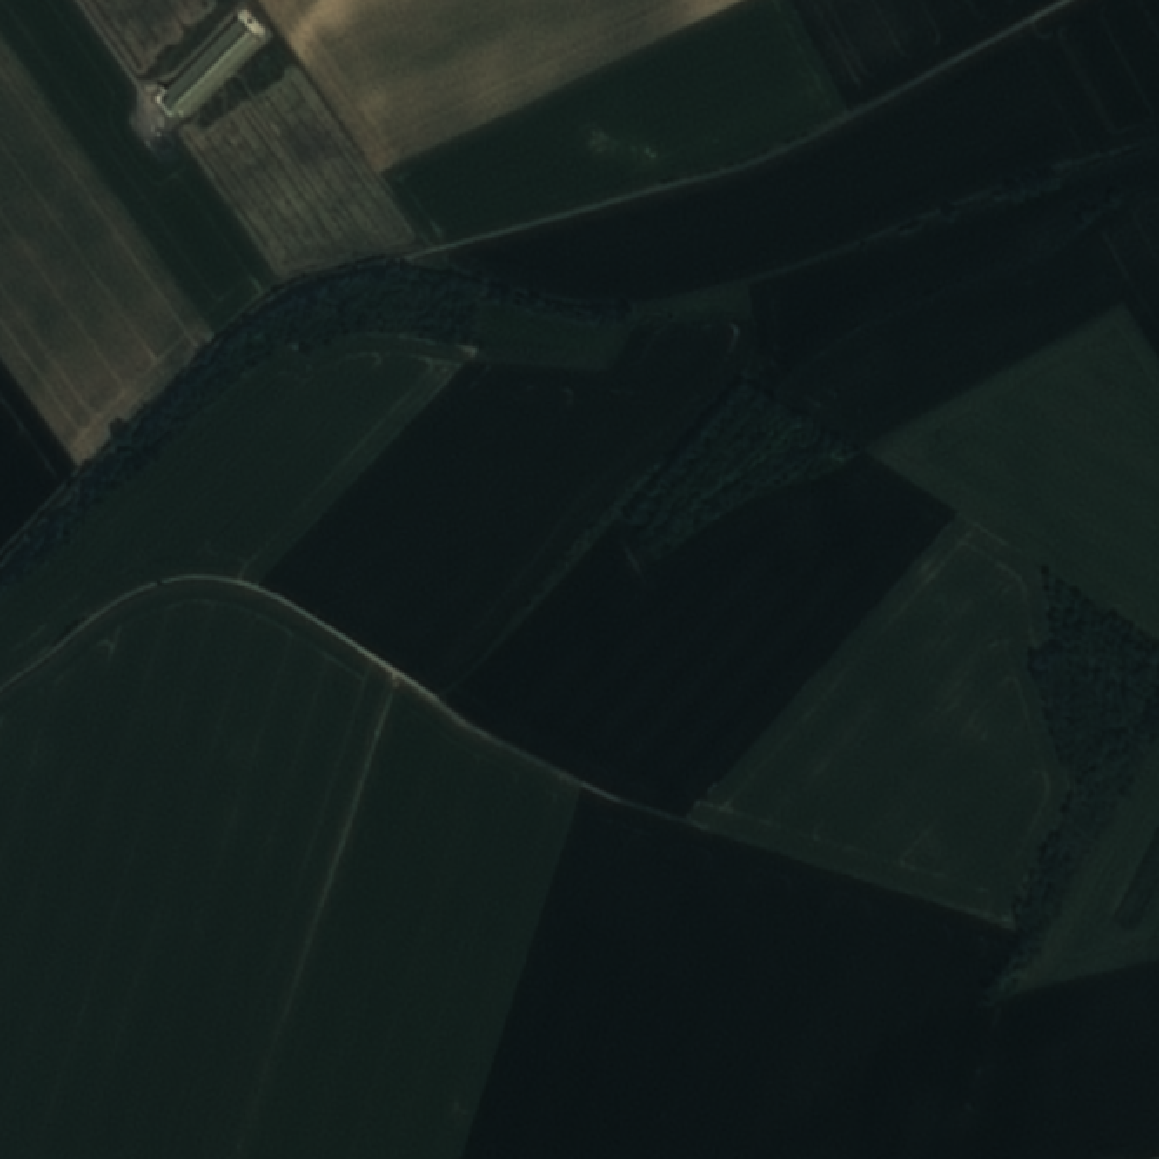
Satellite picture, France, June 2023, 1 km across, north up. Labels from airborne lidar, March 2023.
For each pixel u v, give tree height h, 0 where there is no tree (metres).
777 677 0
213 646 0
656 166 0
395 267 8
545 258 0
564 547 0
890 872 0
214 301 0
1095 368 0
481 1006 0
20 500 0
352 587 0
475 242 0
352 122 0
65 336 0
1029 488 0
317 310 14
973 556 0
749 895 0
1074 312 0
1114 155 0
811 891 0
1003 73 0
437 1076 0
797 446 8
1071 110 0
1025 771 0
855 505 0
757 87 0
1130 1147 0
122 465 9
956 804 0
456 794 0
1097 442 0
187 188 0
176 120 0
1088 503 0
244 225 0
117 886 0
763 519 0
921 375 0
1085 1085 0
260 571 0
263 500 0
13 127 0
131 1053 0
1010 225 0
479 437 0
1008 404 0
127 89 0
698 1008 0
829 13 0
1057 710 18
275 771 0
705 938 0
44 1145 0
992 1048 0
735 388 12
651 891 0
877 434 0
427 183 0
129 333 0
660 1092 0
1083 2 0
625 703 0
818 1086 0
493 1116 0
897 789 0
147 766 0
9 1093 0
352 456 0
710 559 0
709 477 9
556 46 0
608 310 9
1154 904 0
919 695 0
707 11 0
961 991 0
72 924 0
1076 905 0
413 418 0
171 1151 0
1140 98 0
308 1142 0
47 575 0
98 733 0
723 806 0
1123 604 0
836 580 0
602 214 0
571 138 0
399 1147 0
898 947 0
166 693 0
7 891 0
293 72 0
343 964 0
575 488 0
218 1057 0
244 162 0
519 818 0
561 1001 0
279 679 0
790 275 0
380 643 0
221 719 0
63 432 0
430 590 0
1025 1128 0
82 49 0
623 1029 0
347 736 0
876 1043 0
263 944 0
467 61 0
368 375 0
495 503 0
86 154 0
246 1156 0
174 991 0
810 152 0
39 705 0
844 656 0
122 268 0
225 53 0
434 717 0
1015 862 0
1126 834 0
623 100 0
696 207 0
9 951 0
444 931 0
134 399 0
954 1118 0
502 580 0
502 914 0
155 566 0
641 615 0
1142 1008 0
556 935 0
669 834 0
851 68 0
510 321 0
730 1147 0
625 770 0
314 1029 0
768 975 0
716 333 0
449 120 0
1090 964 0
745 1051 0
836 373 0
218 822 0
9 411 0
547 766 0
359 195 0
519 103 0
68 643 0
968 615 0
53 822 0
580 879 0
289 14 0
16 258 0
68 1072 0
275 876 0
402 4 0
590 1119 0
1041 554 0
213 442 0
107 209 0
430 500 0
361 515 0
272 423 0
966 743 0
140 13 0
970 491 0
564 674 0
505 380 0
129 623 0
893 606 0
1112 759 9
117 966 0
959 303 0
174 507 0
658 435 0
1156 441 0
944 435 0
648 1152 0
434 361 0
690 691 0
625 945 0
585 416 0
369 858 0
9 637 0
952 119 0
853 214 0
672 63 0
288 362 0
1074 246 0
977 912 0
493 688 0
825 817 0
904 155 0
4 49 0
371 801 0
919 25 0
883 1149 0
